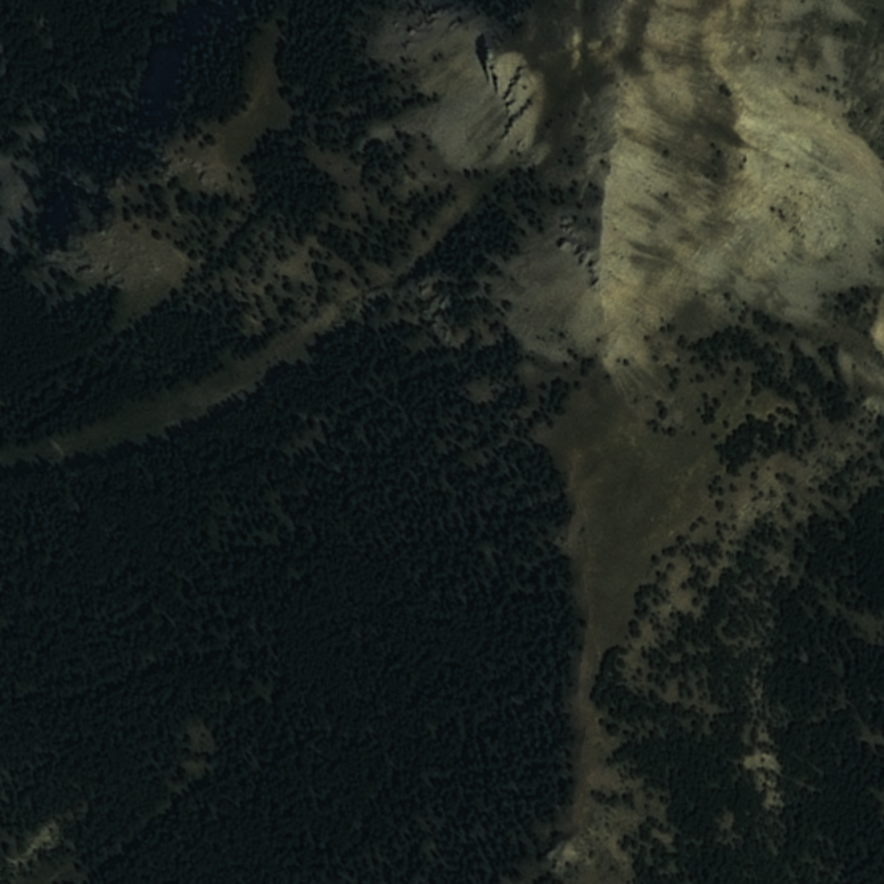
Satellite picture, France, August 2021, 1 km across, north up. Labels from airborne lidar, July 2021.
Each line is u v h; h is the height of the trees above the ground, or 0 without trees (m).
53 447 0
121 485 18
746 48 0
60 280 18
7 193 0
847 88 0
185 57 8
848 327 0
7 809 17
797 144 0
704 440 0
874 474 13
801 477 0
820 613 16
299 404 20
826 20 0
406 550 18
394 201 10
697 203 0
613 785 0
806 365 14
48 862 13
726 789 17
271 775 19
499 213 11
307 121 10
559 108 0
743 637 8
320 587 25
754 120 0
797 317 0
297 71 13
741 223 0
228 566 18
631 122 0
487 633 19
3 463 0
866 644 15
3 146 19
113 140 15
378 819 23
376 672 18
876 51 0
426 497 10
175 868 19
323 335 0
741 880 9
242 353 11
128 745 15
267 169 16
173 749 18
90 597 17
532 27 0
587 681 0
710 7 0
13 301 21
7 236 0
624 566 0
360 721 21
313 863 15
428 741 20
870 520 16
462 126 0
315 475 23
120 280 0
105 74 16
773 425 9
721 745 12
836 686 12
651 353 0
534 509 7
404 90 7
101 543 24
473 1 8
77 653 23
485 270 14
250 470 19
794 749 19
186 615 21
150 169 7
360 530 25
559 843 6
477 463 0
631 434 0
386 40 0
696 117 0
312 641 23
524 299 0
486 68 0
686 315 0
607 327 0
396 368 14
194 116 13
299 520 22
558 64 0
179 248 11
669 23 0
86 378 8
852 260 0
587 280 0
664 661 16
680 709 15
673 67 0
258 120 0
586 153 0
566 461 0
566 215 0
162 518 22
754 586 7
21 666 18
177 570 22
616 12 0
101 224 9
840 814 19
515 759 24
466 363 11
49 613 18
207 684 20
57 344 24
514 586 16
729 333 12
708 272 0
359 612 25
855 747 14
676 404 0
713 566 8
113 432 0
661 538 0
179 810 23
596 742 0
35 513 15
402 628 21
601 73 0
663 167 0
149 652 19
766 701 8
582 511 0
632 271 0
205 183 0
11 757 14
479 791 15
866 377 0
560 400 7
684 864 19
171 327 20
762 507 0
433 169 0
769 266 0
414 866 13
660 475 0
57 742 12
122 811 21
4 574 15
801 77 0
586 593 0
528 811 7
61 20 21
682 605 0
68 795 17
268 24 13
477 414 17
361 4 8
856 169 0
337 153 6
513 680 18
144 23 23
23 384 21
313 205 14
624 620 0
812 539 14
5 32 9
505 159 0
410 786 15
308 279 0
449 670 21
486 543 22
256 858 20
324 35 11
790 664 16
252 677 11
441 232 0
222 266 17
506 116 0
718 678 11
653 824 10
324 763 14
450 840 15
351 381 18
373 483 14
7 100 16
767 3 0
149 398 22
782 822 12
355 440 19
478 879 15
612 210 0
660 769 14
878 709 16
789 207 0
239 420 22
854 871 15
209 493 19
